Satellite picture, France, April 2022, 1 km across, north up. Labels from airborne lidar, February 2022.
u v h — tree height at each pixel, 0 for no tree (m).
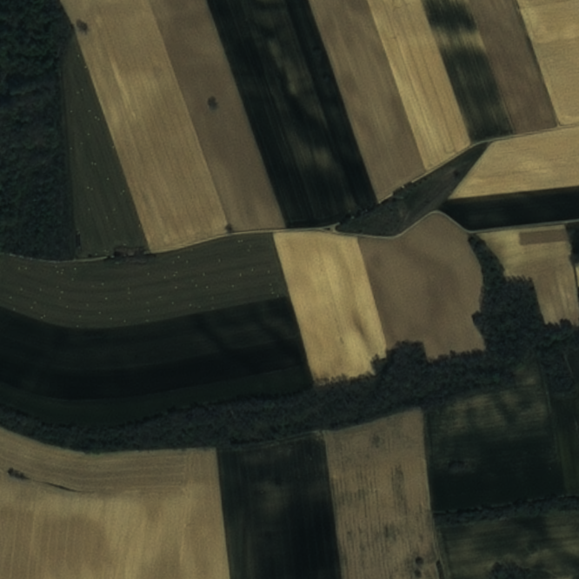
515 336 7
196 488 0
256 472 0
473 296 0
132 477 0
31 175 19
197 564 0
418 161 0
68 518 0
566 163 0
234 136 0
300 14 0
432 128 0
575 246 0
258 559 0
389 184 0
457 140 0
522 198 0
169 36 0
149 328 0
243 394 0
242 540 0
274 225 0
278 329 0
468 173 0
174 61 0
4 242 28
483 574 0
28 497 0
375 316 0
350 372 0
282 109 0
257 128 0
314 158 0
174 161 0
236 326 0
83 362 0
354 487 0
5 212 29
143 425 17
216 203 0
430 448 0
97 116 0
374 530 0
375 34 0
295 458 0
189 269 0
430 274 0
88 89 0
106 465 0
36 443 0
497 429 0
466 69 0
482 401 0
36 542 0
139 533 0
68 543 0
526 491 0
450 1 0
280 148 0
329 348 0
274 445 0
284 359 0
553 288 0
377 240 0
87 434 6
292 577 0
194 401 0
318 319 0
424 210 0
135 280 0
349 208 0
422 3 0
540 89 0
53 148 21
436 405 19
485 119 0
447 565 0
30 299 0
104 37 0
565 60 0
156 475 0
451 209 0
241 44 0
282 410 16
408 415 0
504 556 0
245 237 0
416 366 25
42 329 0
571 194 0
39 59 20
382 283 0
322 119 0
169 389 0
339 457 0
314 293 0
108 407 0
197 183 0
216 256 0
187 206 0
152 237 0
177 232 0
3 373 0
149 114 0
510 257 0
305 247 0
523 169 0
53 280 0
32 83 29
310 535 0
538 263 0
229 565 0
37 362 0
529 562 0
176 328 0
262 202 0
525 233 0
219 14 0
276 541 0
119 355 0
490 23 0
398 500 0
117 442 8
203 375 0
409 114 0
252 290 0
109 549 0
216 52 0
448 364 26
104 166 0
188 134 0
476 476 0
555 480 0
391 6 0
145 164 0
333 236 0
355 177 0
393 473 0
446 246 0
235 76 0
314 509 0
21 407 0
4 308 0
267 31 0
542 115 0
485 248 12
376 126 0
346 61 0
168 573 0
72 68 0
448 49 0
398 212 0
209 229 0
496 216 0
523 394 0
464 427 0
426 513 0
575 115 0
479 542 0
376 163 0
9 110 26
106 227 0
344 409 25
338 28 0
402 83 0
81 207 0
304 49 0
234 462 0
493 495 0
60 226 23
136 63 0
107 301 0
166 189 0
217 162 0
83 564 0
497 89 0
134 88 0
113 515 0
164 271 0
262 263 0
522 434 0
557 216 0
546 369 17
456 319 0
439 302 0
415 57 0
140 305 0
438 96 0
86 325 0
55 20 24
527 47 0
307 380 0
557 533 0
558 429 0
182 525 0
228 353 0
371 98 0
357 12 0
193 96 0
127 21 0
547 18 0
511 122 0
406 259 0
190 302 0
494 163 0
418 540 0
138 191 0
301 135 0
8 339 0
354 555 0
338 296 0
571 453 0
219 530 0
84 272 0
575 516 0
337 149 0
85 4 0
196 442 20
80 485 0
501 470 0
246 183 0
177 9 0
